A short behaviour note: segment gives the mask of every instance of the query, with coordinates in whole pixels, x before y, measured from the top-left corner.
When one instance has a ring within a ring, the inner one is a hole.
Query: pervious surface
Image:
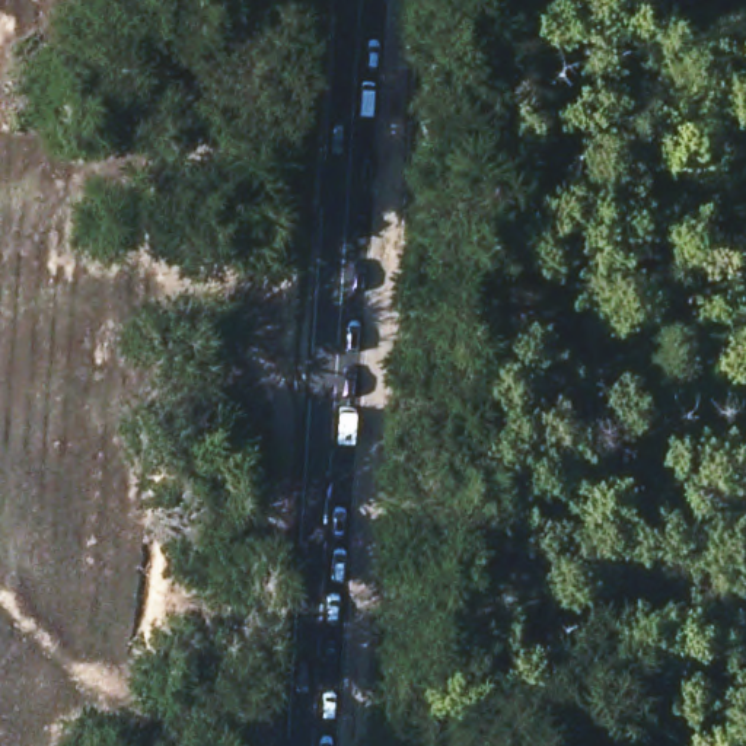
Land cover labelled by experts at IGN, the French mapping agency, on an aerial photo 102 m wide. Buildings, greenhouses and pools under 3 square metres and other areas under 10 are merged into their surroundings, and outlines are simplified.
[[[140,629],[143,638],[131,650],[137,659],[154,653],[152,629],[166,629],[169,612],[184,615],[189,606],[189,592],[181,583],[163,577],[163,545],[172,539],[172,527],[178,527],[178,519],[166,516],[163,510],[157,507],[146,513],[146,545],[152,548],[152,565]]]
[[[271,498],[271,522],[274,522],[274,527],[283,527],[283,530],[286,530],[286,525],[291,522],[291,501],[288,501],[288,498],[274,498]]]
[[[35,624],[20,609],[15,592],[6,592],[0,586],[0,606],[12,615],[15,627],[29,632],[61,667],[73,673],[76,682],[96,691],[122,699],[131,691],[128,685],[117,679],[117,673],[105,664],[73,661],[41,624]]]

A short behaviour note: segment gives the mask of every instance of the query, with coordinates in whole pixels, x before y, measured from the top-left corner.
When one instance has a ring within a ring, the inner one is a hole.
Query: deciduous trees
[[[388,405],[379,408],[385,455],[376,472],[379,495],[373,504],[382,510],[382,516],[373,519],[376,565],[370,589],[376,594],[373,647],[379,647],[382,691],[370,696],[370,705],[385,708],[388,723],[402,740],[423,740],[423,746],[746,746],[746,0],[399,0],[405,58],[420,76],[420,93],[411,102],[411,114],[417,114],[420,119],[420,134],[417,149],[405,166],[405,184],[414,198],[411,219],[402,221],[405,248],[399,254],[399,271],[390,297],[393,309],[399,312],[396,341],[385,358],[385,379],[390,396]]]
[[[309,207],[309,187],[323,157],[323,125],[332,111],[332,85],[338,67],[335,50],[350,44],[358,32],[358,20],[353,15],[335,12],[323,0],[58,0],[52,17],[55,29],[38,50],[35,61],[20,70],[17,87],[20,96],[26,96],[26,108],[17,111],[20,131],[38,128],[38,137],[50,149],[50,157],[99,160],[117,154],[146,154],[149,181],[154,184],[154,198],[146,198],[134,187],[119,187],[108,178],[90,178],[85,184],[85,198],[76,210],[73,251],[87,251],[99,262],[117,262],[128,251],[137,251],[143,233],[149,233],[149,254],[154,259],[163,259],[166,265],[175,265],[181,277],[189,277],[195,283],[219,280],[227,268],[236,268],[236,288],[230,297],[169,294],[160,303],[137,306],[119,323],[119,341],[122,356],[131,358],[137,370],[149,361],[163,358],[160,399],[137,405],[119,423],[125,440],[114,443],[117,455],[131,460],[128,498],[137,498],[140,510],[146,513],[157,507],[163,510],[181,504],[184,487],[189,481],[192,490],[204,495],[210,507],[210,519],[195,539],[172,539],[163,545],[163,577],[181,583],[189,592],[189,606],[184,615],[169,612],[166,629],[152,629],[154,653],[137,659],[128,685],[131,691],[122,699],[96,691],[96,708],[82,714],[73,731],[61,737],[61,746],[280,746],[286,708],[294,702],[297,670],[297,635],[288,627],[288,609],[297,600],[303,600],[300,577],[294,571],[283,571],[294,557],[286,530],[283,530],[283,527],[274,527],[274,522],[271,522],[271,498],[274,498],[283,478],[277,475],[271,455],[271,423],[265,423],[256,405],[230,385],[227,353],[242,347],[251,329],[254,297],[271,300],[274,294],[283,294],[277,283],[294,274],[286,265],[294,256],[294,233]]]

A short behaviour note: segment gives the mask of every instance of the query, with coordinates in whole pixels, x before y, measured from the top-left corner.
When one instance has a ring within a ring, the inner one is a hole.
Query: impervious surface
[[[309,187],[309,207],[294,233],[294,256],[286,265],[294,274],[277,283],[283,294],[274,294],[271,300],[254,297],[251,329],[242,347],[227,353],[230,385],[256,405],[265,423],[271,423],[271,455],[277,475],[283,478],[274,498],[288,498],[288,501],[291,501],[291,522],[286,525],[286,530],[294,557],[283,571],[294,571],[300,577],[303,600],[297,600],[288,609],[288,627],[297,635],[297,670],[294,702],[286,708],[280,746],[423,746],[423,740],[402,740],[388,723],[385,708],[370,705],[370,696],[382,691],[379,647],[373,647],[376,594],[370,589],[376,565],[373,519],[382,516],[382,510],[373,504],[379,495],[376,472],[385,455],[379,408],[388,405],[390,396],[385,379],[385,358],[396,341],[399,312],[393,309],[390,297],[399,271],[399,254],[405,248],[402,221],[411,219],[414,198],[405,184],[405,166],[417,149],[420,134],[420,119],[417,114],[411,114],[411,102],[420,93],[420,76],[405,58],[399,0],[323,0],[335,12],[353,15],[358,20],[358,32],[350,44],[335,50],[338,67],[332,85],[332,111],[323,125],[323,157]]]

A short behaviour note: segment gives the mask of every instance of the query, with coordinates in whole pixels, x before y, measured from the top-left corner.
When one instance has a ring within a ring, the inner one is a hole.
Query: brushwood
[[[195,539],[210,519],[210,507],[204,495],[192,490],[189,481],[184,487],[181,504],[163,510],[166,516],[178,519],[178,527],[172,527],[172,539]]]

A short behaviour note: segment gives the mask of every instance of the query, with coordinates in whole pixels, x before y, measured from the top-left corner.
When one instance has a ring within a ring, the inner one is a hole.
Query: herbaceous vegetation
[[[87,274],[87,268],[73,268],[70,280],[61,268],[50,271],[47,259],[50,254],[73,251],[76,210],[85,198],[85,184],[90,178],[108,178],[119,187],[134,187],[146,198],[154,198],[154,184],[149,181],[146,154],[117,154],[99,160],[50,157],[50,149],[38,137],[38,128],[20,131],[17,111],[26,108],[26,96],[20,96],[17,87],[20,70],[35,61],[38,50],[55,29],[52,17],[58,0],[0,0],[0,586],[6,592],[15,592],[20,609],[35,624],[41,624],[73,661],[105,664],[117,673],[117,679],[128,685],[137,659],[131,650],[143,638],[140,629],[131,624],[137,577],[128,568],[119,568],[119,560],[128,560],[134,551],[146,545],[146,513],[140,510],[137,498],[128,498],[131,460],[117,455],[114,443],[125,440],[119,423],[137,405],[160,399],[163,358],[149,361],[137,370],[131,358],[122,356],[119,341],[111,347],[108,361],[96,361],[96,335],[105,321],[119,323],[137,306],[160,303],[169,294],[157,286],[152,274],[140,271],[137,251],[128,251],[117,262],[117,280],[99,280]]]
[[[12,615],[0,606],[0,746],[44,746],[50,723],[55,723],[58,714],[76,708],[82,714],[96,708],[96,691],[76,682],[73,673],[61,667],[29,632],[15,627]]]

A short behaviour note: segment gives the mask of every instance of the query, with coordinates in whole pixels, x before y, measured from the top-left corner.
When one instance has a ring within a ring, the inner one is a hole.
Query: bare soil
[[[61,746],[61,737],[73,731],[82,714],[76,708],[58,714],[55,723],[50,723],[44,746]]]
[[[87,274],[99,280],[117,280],[117,262],[99,262],[87,251],[73,251],[50,254],[47,259],[50,271],[61,268],[70,280],[73,268],[87,268]]]
[[[230,297],[236,288],[236,268],[227,268],[219,280],[195,283],[189,277],[181,277],[175,265],[166,265],[163,259],[154,259],[149,254],[149,233],[143,233],[137,251],[140,271],[152,274],[157,286],[169,294]]]
[[[119,341],[119,323],[105,321],[96,335],[96,361],[108,361],[111,347]]]
[[[131,624],[140,629],[152,565],[152,548],[146,545],[134,551],[128,560],[119,560],[119,568],[128,568],[137,577]]]

